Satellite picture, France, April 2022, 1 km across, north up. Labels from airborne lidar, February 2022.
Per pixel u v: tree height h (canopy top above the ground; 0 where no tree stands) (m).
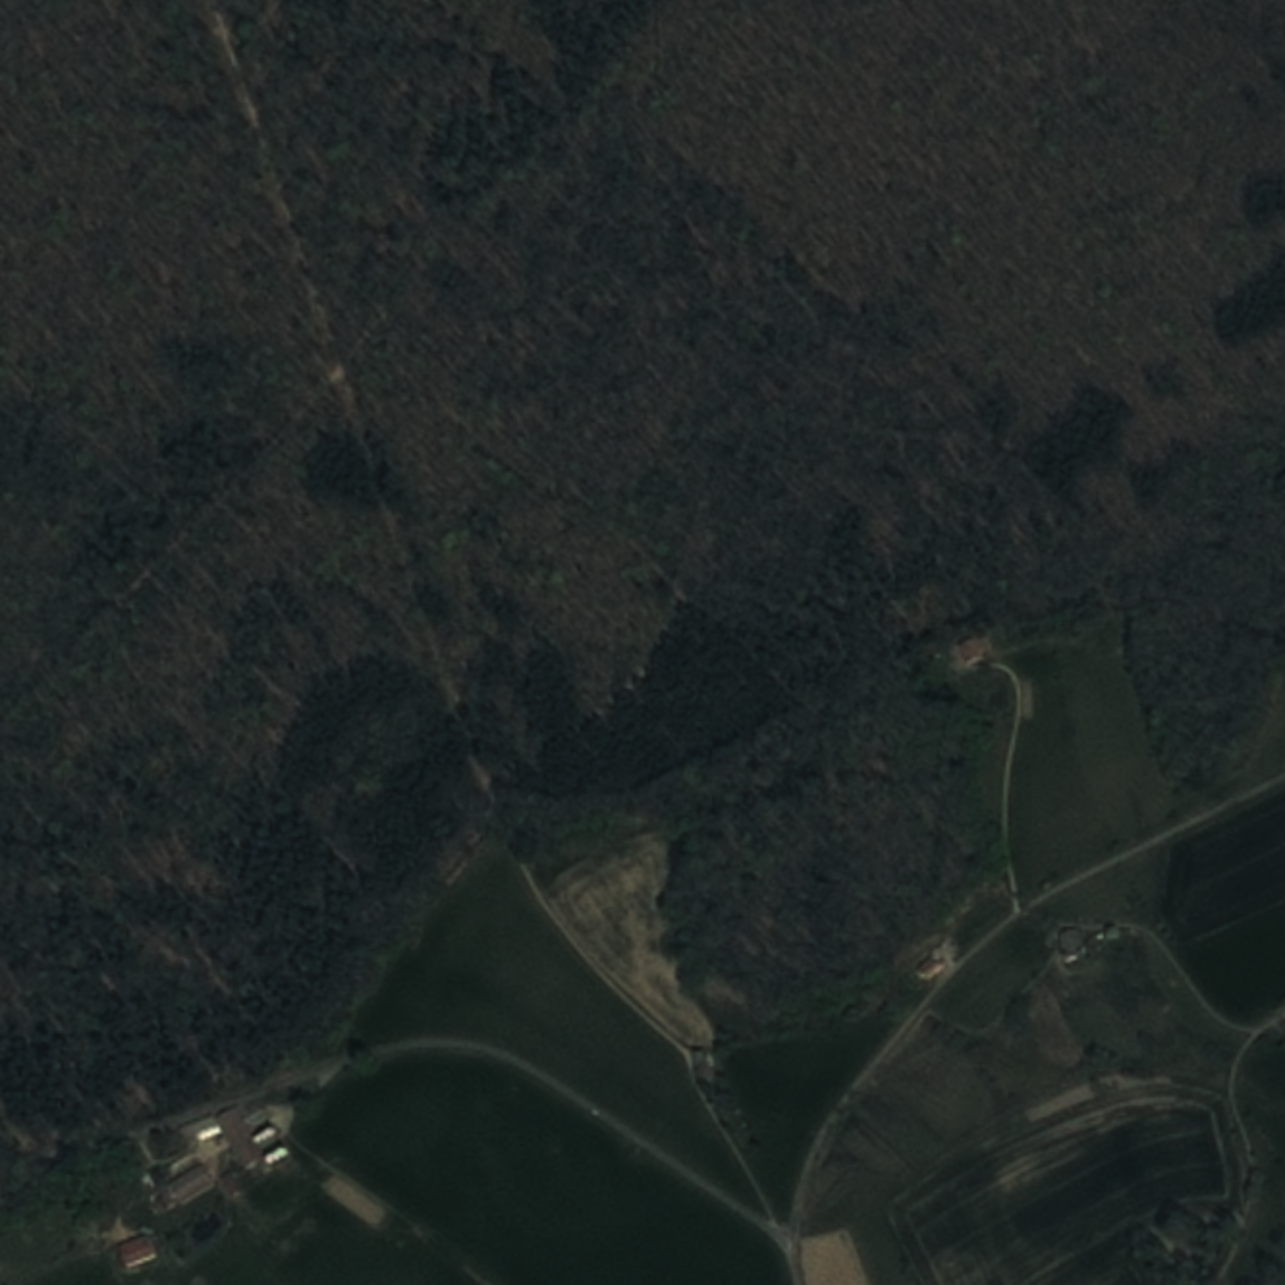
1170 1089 0
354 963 32
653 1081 0
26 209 31
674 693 14
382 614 26
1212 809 0
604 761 16
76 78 31
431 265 29
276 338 30
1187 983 0
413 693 27
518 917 0
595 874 0
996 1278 0
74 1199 27
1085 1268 0
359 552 24
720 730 14
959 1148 0
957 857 33
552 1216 0
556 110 25
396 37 30
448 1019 0
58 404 29
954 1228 0
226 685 24
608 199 30
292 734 24
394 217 30
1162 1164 0
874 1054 0
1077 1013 0
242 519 28
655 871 0
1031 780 0
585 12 11
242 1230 0
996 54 28
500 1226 0
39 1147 27
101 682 29
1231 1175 0
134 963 32
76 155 28
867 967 28
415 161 31
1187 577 32
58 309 30
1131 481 27
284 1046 33
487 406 28
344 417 20
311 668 21
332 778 24
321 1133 0
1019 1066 0
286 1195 0
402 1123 0
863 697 33
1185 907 0
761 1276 0
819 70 25
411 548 23
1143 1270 0
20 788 31
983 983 0
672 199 24
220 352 30
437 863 19
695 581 28
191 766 26
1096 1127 0
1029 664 0
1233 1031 0
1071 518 26
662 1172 0
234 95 28
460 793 21
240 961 25
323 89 29
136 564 31
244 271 27
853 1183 0
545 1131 0
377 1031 0
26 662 25
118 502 25
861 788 31
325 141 31
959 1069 0
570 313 31
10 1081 36
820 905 33
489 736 20
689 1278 0
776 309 29
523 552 27
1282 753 0
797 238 26
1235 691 28
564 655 21
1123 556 30
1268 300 30
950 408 24
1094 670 0
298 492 28
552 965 0
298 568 25
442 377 28
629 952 0
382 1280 0
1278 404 31
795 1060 0
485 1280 0
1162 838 0
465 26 11
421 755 21
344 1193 0
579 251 28
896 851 32
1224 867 0
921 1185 0
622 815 26
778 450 26
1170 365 25
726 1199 0
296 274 30
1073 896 0
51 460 29
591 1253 0
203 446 12
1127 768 0
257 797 28
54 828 23
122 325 30
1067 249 25
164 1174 0
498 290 32
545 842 31
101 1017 29
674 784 29
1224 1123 0
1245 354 24
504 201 26
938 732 32
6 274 29
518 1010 0
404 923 28
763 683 24
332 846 24
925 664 8
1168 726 30
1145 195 24
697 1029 0
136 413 29
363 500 31
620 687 15
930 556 32
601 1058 0
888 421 31
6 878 27
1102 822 0
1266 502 26
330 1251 0
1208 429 22
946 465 28
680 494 28
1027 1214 0
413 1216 0
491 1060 0
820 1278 0
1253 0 17
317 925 34
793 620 29
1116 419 28
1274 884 0
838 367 30
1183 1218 25
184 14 29
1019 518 30
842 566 27
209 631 28
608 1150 0
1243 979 0
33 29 26
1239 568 33
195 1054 22
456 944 0
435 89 34
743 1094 0
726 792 32
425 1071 0
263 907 33
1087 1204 0
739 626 25
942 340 23
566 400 29
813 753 28
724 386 33
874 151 27
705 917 30
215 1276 0
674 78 22
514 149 14
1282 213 26
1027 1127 0
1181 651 27
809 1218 0
